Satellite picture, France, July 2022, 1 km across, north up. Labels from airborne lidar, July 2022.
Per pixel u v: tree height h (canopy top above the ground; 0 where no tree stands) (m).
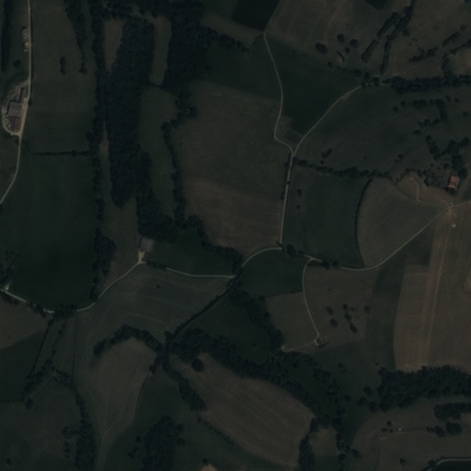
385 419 0
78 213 0
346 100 0
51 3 0
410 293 0
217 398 0
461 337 0
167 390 0
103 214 8
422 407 0
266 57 0
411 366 0
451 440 0
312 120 0
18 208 0
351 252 0
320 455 0
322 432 0
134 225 0
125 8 18
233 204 0
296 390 21
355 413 0
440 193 0
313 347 0
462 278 0
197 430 0
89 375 0
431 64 0
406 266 0
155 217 27
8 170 0
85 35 9
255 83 0
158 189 0
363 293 0
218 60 0
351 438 0
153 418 0
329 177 0
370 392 15
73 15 13
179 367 0
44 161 0
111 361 0
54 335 0
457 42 0
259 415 0
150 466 20
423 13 0
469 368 0
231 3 0
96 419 0
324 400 0
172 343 13
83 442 20
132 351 0
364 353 0
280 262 0
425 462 0
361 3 0
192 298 0
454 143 15
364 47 0
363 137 0
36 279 0
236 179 0
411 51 0
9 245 0
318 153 0
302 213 0
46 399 0
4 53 20
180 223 19
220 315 0
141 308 0
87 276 0
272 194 0
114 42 0
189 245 0
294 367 15
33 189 0
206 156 0
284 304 0
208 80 0
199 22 21
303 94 0
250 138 0
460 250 0
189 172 0
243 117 0
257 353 0
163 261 0
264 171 0
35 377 14
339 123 0
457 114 0
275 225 0
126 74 26
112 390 0
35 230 0
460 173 15
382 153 0
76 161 0
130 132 25
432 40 0
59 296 0
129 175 19
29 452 0
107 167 0
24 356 0
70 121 0
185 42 25
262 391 0
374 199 0
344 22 0
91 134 11
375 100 0
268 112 0
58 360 0
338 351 0
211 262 0
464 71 0
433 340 0
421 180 0
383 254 0
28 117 0
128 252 0
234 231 0
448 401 0
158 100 0
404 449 0
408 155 0
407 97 0
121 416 0
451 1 0
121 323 0
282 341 14
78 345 0
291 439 0
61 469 0
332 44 0
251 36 0
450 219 0
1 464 0
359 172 8
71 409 0
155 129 0
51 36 0
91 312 0
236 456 0
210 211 0
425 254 0
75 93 0
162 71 0
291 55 0
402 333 0
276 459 0
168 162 0
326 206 0
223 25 0
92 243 0
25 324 0
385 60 6
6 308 0
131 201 0
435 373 15
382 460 0
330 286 0
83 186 0
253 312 21
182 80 21
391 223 0
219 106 0
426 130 0
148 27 20
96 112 13
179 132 0
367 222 0
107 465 0
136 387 0
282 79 0
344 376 0
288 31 0
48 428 0
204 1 0
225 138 0
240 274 24
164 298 0
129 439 0
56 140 0
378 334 0
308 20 0
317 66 0
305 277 0
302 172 0
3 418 0
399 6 0
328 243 0
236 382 0
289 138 0
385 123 0
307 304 0
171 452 20
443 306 0
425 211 0
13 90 0
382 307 0
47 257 0
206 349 19
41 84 0
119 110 26
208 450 0
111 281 0
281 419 0
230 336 0
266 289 0
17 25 0
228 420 0
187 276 0
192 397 21
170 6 22
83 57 6
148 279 0
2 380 0
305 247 0
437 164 0
